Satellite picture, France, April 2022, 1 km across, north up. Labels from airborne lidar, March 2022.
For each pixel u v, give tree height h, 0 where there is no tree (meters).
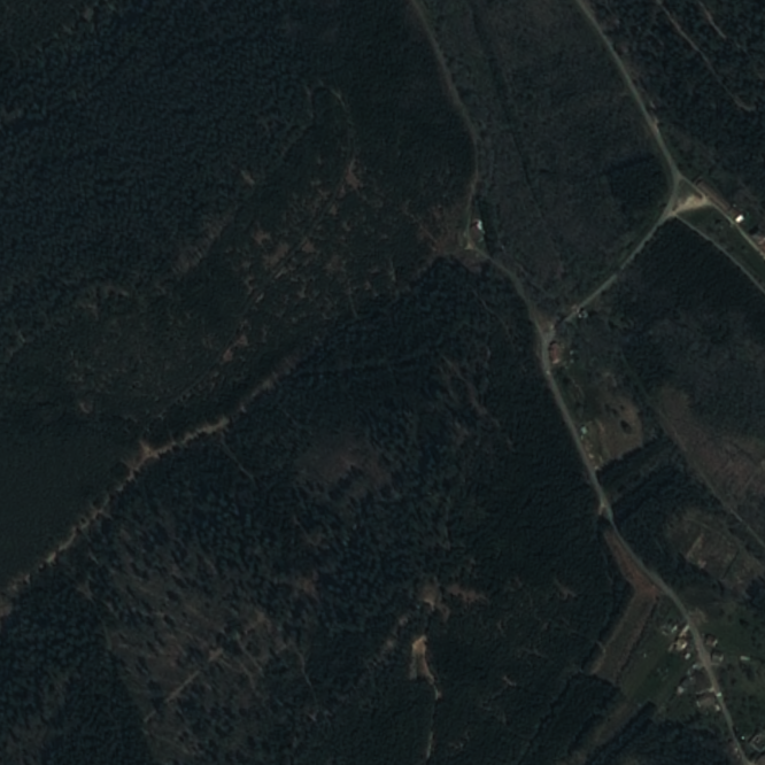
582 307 0
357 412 11
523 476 13
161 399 7
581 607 16
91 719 26
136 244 26
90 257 24
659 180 25
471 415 7
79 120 26
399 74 15
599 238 17
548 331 0
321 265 7
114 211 25
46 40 24
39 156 22
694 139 14
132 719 20
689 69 26
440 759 14
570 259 14
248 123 23
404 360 20
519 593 9
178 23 21
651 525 33
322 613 25
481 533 18
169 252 21
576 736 15
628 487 11
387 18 14
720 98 28
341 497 0
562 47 15
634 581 29
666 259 10
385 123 11
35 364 12
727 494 0
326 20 15
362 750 14
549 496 23
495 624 9
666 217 0
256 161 22
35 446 17
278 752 7
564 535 23
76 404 16
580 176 10
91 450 17
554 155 12
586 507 24
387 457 24
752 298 11
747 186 14
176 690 0
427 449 7
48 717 29
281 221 9
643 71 25
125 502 10
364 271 7
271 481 13
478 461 8
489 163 15
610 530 29
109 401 9
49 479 19
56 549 20
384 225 10
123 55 31
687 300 10
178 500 8
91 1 23
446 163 10
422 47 17
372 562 22
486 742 10
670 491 27
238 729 25
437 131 21
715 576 0
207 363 9
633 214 23
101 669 26
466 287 15
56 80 33
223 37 17
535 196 10
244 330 7
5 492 19
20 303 8
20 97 31
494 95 14
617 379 7
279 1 19
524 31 14
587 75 13
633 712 0
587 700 22
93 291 21
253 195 21
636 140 13
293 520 11
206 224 22
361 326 16
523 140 16
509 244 14
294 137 18
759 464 0
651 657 0
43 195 21
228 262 9
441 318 20
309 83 20
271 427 12
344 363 20
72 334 8
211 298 9
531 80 10
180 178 20
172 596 0
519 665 9
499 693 11
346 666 10
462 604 9
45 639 26
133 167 31
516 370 16
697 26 31
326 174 8
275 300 9
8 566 20
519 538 14
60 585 10
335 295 9
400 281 14
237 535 26
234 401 18
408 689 13
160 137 23
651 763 22
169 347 6
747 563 0
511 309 21
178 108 25
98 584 12
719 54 6
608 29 29
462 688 14
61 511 18
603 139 11
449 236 12
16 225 27
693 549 0
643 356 27
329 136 10
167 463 14
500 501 18
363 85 13
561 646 12
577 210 9
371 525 22
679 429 0
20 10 20
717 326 8
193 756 25
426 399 6
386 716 11
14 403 16
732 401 9
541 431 11
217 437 11
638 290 14
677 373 13
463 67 15
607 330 15
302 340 12
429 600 0
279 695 6
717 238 14
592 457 0
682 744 21
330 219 9
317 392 17
